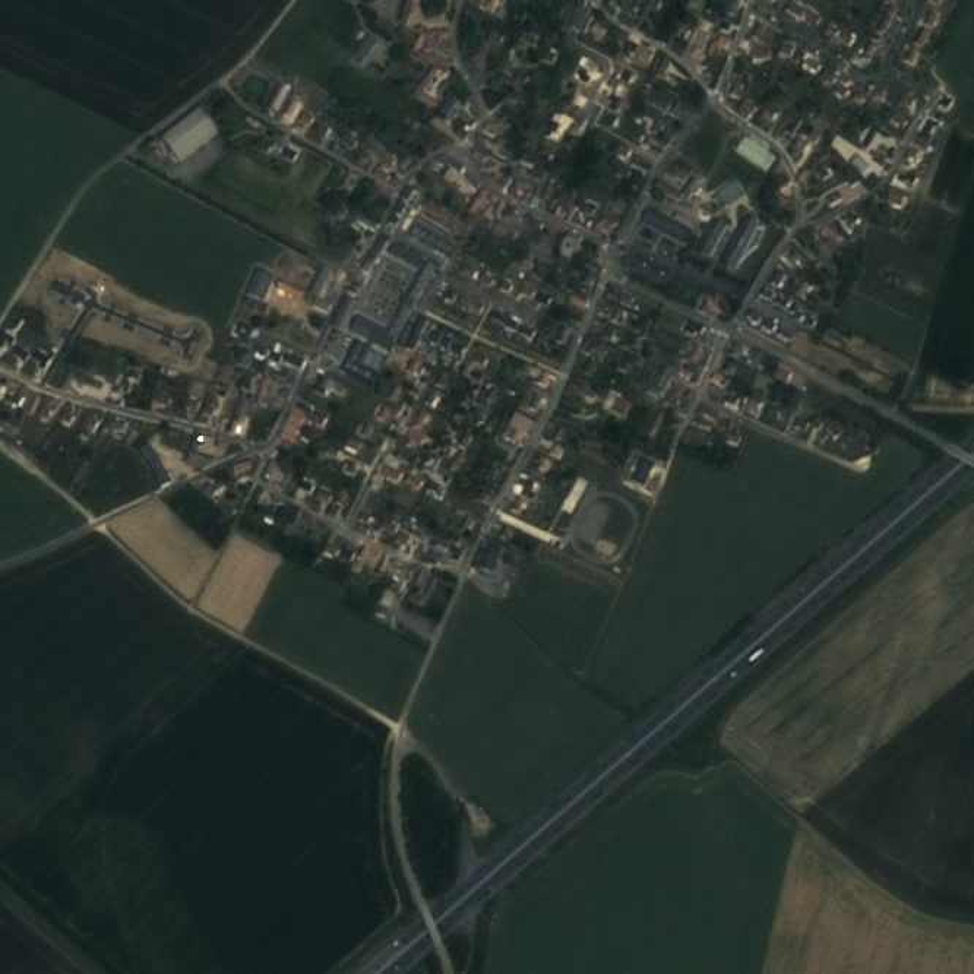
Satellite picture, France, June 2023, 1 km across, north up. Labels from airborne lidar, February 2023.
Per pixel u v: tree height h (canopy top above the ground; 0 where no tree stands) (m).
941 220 0
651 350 15
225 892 0
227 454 0
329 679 0
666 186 0
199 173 0
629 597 0
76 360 9
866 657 0
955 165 0
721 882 0
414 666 0
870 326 0
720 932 0
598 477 0
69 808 0
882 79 0
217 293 0
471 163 0
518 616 0
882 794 0
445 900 0
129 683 0
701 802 0
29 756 0
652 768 0
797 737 0
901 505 0
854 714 0
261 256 0
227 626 0
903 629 0
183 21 0
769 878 0
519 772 0
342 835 0
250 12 0
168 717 0
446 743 0
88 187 0
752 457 0
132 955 0
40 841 0
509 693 0
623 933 0
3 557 0
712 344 0
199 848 0
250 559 0
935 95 0
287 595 0
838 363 0
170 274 0
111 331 0
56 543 0
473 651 0
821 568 0
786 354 0
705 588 0
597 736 0
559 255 6
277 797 0
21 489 0
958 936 0
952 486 0
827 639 0
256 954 0
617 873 0
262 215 0
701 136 0
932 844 0
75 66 0
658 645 0
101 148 0
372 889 0
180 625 0
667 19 0
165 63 0
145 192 0
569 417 10
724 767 0
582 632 0
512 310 0
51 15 0
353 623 0
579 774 0
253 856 0
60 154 0
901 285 0
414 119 0
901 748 0
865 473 0
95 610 0
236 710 0
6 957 0
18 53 0
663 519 0
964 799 0
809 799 0
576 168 9
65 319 0
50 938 0
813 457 0
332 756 0
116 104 0
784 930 0
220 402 0
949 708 0
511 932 0
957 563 0
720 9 9
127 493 0
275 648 0
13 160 0
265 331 0
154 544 0
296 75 0
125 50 0
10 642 0
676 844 0
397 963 0
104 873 0
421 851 8
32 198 0
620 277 0
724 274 6
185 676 0
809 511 0
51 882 0
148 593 0
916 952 0
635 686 0
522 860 0
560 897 0
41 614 0
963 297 0
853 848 0
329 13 0
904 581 0
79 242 0
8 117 0
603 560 0
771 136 0
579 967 0
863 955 0
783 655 0
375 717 0
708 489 0
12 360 0
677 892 0
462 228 0
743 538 0
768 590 0
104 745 0
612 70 0
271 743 0
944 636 0
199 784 0
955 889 0
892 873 0
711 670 0
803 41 0
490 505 0
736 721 0
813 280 9
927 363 0
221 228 0
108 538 0
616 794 0
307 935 0
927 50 0
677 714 0
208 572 0
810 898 0
